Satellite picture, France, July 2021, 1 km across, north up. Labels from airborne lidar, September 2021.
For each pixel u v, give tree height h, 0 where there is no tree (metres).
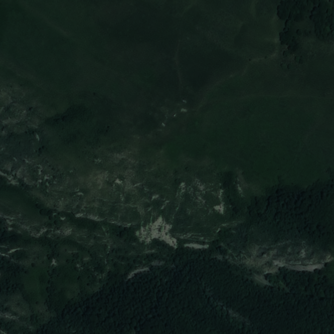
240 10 0
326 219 6
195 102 0
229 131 0
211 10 0
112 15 0
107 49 0
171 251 19
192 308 14
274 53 0
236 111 0
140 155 0
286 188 14
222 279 17
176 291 20
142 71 0
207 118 0
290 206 20
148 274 9
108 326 15
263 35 0
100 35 0
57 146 0
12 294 7
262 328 16
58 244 13
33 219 0
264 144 0
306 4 15
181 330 25
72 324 9
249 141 0
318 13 13
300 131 0
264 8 0
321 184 6
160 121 0
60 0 0
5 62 0
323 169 0
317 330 22
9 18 0
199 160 0
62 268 6
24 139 0
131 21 0
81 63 0
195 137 0
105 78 0
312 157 0
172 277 9
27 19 0
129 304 16
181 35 0
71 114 7
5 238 19
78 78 0
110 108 0
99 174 0
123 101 0
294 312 21
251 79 0
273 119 0
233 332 16
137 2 0
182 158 0
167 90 0
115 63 0
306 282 27
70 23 0
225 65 0
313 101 0
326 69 0
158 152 0
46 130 0
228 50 0
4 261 8
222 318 17
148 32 0
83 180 0
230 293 17
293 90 0
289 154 0
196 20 0
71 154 0
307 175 0
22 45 0
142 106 0
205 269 18
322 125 0
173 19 0
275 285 5
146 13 0
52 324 14
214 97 0
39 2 0
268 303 26
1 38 0
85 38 0
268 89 0
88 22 0
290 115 0
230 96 0
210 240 12
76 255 6
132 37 0
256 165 0
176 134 0
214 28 0
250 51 0
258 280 0
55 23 0
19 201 0
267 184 0
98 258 6
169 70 0
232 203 16
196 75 0
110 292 11
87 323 16
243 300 24
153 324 27
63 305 13
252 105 0
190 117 0
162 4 0
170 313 25
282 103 0
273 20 0
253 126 0
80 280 18
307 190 9
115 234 5
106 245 9
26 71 0
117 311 15
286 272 16
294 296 23
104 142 0
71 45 0
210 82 0
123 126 0
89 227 7
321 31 14
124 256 7
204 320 17
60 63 0
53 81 0
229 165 0
